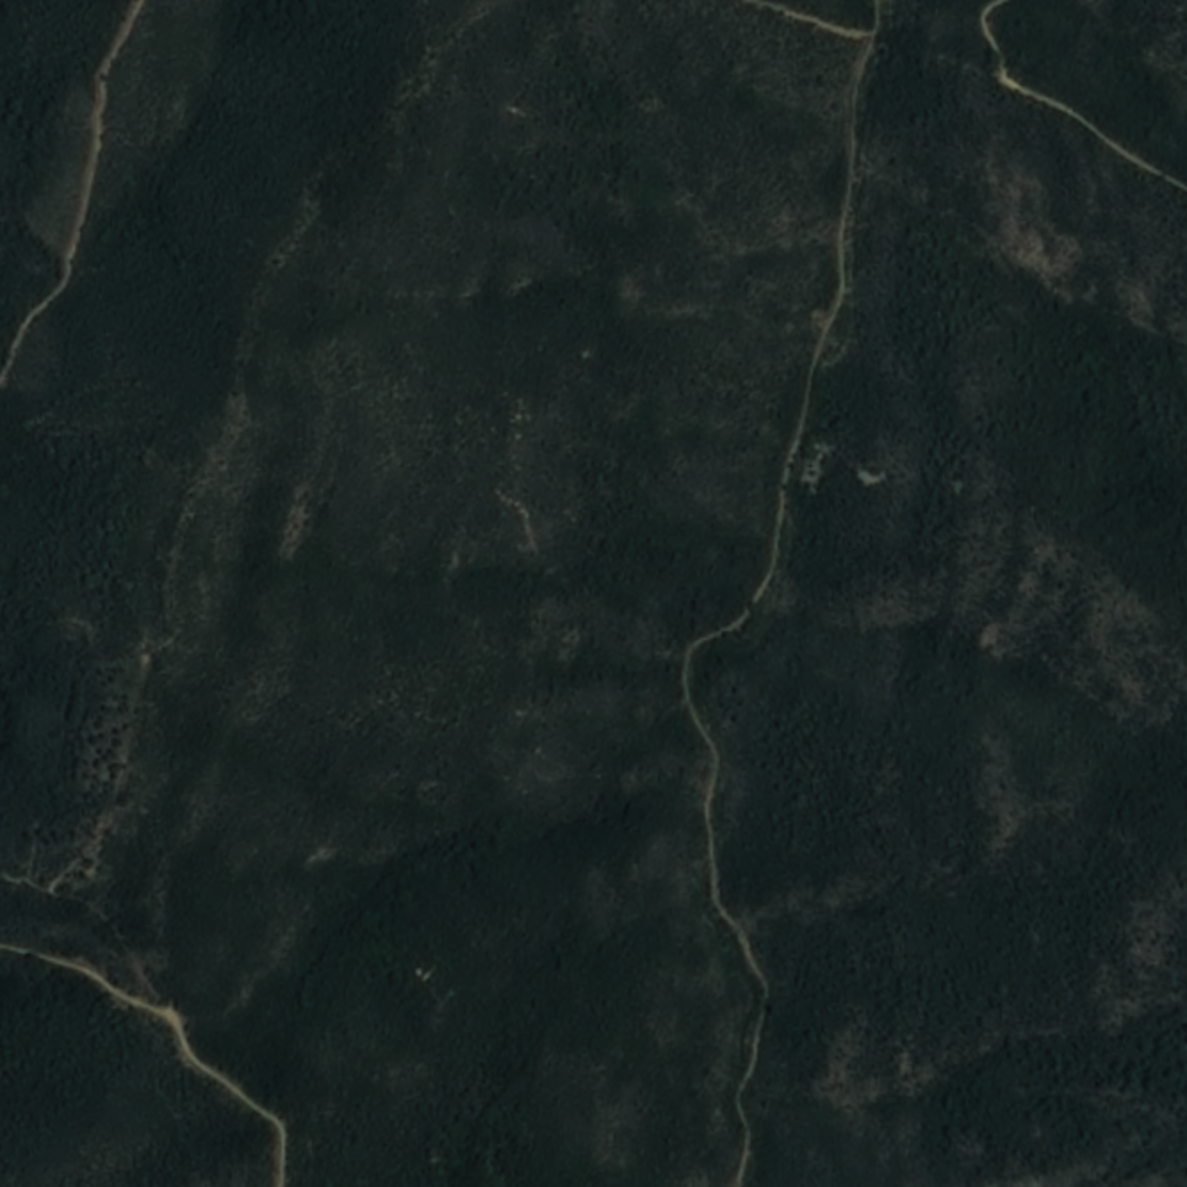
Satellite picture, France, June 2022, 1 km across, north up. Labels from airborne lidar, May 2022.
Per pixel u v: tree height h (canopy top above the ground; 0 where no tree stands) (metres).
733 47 8
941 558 7
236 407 0
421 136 9
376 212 10
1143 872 7
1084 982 8
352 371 6
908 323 8
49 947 7
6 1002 6
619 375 6
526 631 8
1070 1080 8
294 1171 8
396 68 6
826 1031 8
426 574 6
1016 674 7
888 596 7
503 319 6
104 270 7
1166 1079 10
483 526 8
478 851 13
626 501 10
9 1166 7
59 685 8
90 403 6
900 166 8
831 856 7
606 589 7
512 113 0
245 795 6
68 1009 8
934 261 7
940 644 7
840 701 8
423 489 6
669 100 7
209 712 7
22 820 8
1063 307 11
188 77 7
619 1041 6
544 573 9
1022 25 11
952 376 7
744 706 7
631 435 7
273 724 9
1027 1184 0
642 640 0
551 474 6
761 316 6
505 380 7
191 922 7
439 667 6
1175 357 8
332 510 10
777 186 7
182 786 5
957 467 9
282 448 6
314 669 5
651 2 6
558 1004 7
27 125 10
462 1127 14
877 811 8
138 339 6
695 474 0
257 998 6
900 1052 7
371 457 0
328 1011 5
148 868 6
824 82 11
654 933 5
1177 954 6
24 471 9
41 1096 7
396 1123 8
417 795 6
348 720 9
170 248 15
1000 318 9
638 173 9
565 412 6
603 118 9
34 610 7
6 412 6
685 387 7
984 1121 6
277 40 6
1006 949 9
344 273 7
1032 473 8
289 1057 6
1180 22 7
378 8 7
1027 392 8
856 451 9
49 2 6
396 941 6
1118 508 11
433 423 8
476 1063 6
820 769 6
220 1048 6
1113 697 9
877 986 7
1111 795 6
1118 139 7
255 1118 8
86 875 9
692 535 6
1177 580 8
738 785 0
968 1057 7
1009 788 6
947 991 8
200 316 8
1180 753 5
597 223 8
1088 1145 7
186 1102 9
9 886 8
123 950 7
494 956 9
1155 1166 8
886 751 8
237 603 6
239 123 7
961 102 7
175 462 7
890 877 8
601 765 10
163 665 9
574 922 8
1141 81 6
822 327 0
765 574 8
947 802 6
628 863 6
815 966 8
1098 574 6
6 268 7
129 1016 7
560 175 11
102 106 0
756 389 6
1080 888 9
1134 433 9
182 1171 6
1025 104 7
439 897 6
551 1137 7
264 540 8
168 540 5
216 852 6
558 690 11
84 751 7
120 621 6
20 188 7
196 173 5
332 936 6
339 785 6
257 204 6
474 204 8
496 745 8
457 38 8
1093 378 12
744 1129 10
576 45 6
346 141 7
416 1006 6
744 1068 5
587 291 8
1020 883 12
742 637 11
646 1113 8
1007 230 0
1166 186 6
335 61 7
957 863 9
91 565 7
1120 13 6
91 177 0
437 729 7
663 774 7
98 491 9
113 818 0
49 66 8
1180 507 6
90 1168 6
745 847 8
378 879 6
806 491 6
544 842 6
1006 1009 11
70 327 6
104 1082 7
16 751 9
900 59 9
